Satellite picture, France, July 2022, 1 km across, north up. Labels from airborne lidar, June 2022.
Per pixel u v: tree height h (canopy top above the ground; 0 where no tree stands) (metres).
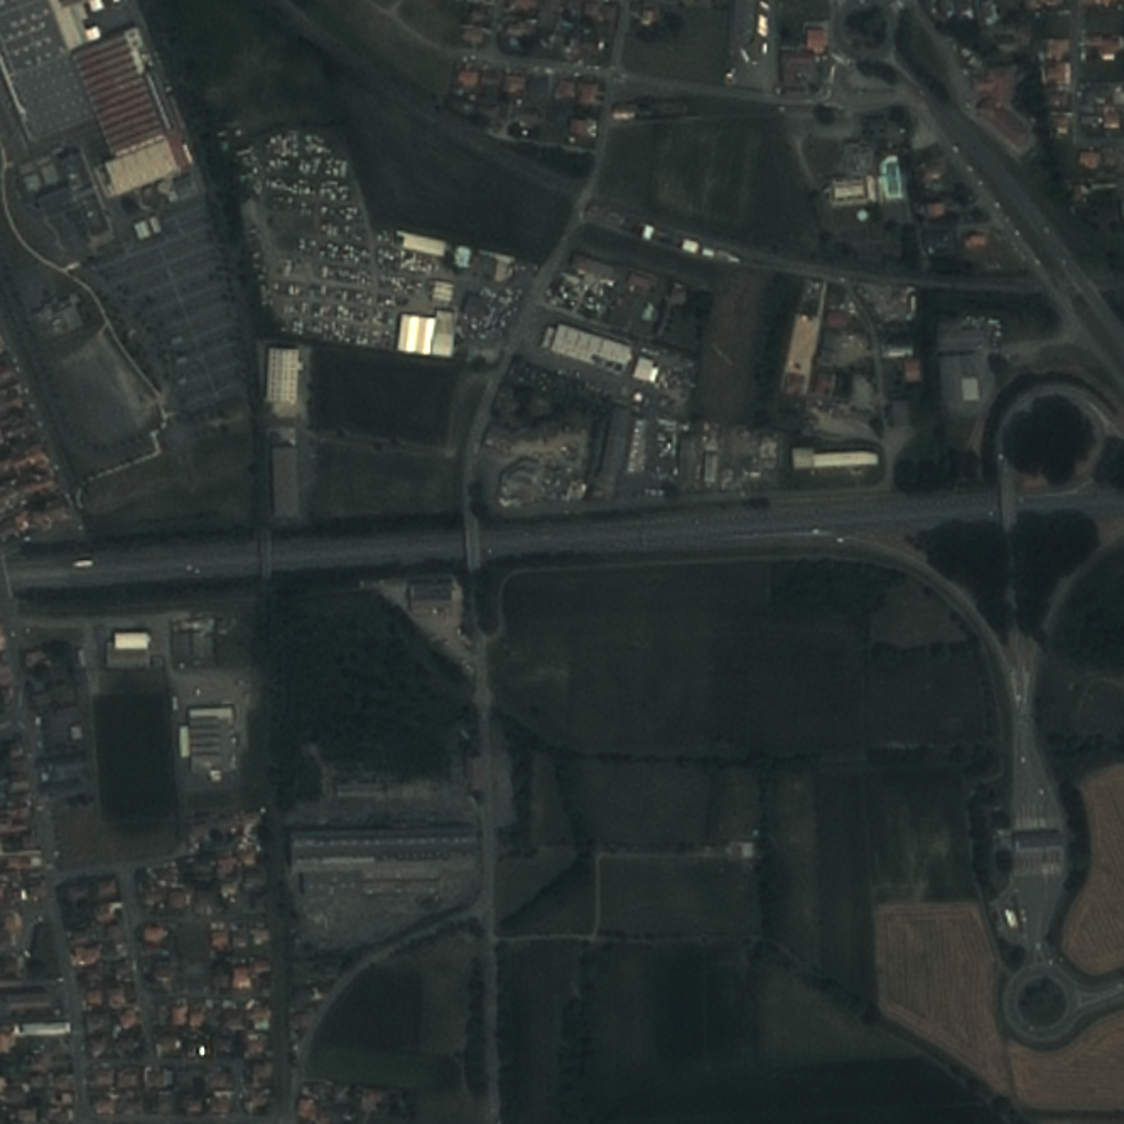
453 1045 0
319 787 8
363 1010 0
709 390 0
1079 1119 0
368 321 0
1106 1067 0
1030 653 0
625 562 0
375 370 0
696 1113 0
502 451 0
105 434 0
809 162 0
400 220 0
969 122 0
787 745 0
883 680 0
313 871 0
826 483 0
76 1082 0
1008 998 0
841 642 0
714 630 0
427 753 8
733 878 0
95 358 0
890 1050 0
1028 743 0
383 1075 0
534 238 0
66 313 0
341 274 0
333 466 0
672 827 0
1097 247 0
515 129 9
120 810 0
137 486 0
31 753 0
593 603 0
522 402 10
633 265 0
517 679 0
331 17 0
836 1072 0
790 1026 0
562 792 7
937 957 0
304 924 0
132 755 0
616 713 0
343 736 20
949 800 0
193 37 0
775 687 0
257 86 0
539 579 0
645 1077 0
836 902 0
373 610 0
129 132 0
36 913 0
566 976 0
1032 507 0
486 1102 0
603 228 0
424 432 0
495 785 0
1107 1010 0
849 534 0
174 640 0
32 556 10
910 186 7
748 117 0
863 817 0
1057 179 10
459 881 0
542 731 0
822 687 0
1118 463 19
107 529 0
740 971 0
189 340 0
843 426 0
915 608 0
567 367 0
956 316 10
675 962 0
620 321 0
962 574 13
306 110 0
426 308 0
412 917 0
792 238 0
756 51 0
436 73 0
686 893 0
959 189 8
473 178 0
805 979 7
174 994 0
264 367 0
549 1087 0
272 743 8
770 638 0
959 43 12
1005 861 13
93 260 6
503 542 0
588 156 7
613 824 0
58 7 0
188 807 0
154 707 0
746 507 7
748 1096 0
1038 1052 0
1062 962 0
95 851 0
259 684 0
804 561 6
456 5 0
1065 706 0
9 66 0
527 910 10
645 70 0
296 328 0
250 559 0
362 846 0
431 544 0
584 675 0
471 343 0
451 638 0
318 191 0
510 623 0
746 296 0
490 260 0
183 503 0
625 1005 0
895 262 8
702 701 0
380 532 7
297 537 8
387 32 0
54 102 0
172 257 0
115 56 0
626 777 0
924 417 0
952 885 0
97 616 0
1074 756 11
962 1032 0
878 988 0
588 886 0
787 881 0
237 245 11
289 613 10
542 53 0
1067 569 18
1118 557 0
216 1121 0
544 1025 0
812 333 0
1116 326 0
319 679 7
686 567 0
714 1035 0
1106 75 0
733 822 0
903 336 8
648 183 0
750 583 0
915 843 0
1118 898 0
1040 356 0
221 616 0
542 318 0
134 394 0
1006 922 0
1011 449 19
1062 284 0
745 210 0
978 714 0
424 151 0
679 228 0
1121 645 11
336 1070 0
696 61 0
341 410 0
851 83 0
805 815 0
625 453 0
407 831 0
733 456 0
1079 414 14
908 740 0
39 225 0
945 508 0
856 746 0
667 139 0
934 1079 0
